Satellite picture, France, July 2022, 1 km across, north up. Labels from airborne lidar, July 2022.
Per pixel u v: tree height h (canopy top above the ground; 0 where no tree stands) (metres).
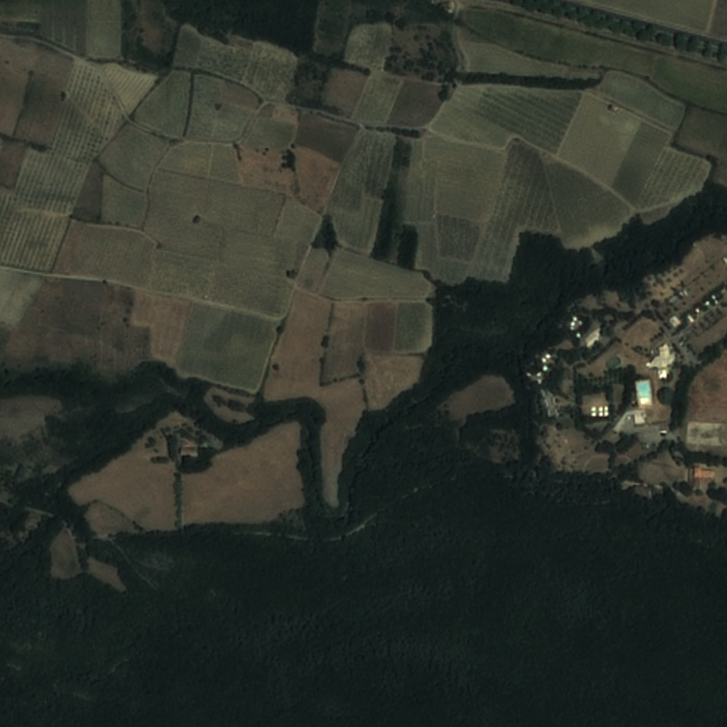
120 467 0
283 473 0
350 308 0
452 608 7
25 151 0
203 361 0
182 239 0
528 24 0
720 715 7
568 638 6
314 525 11
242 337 0
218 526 6
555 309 12
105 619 7
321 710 6
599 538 7
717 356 13
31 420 0
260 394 8
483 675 8
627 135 0
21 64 0
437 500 9
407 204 0
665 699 7
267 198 0
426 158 0
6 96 0
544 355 8
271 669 8
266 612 8
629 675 7
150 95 0
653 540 8
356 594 9
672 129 0
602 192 0
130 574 8
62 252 0
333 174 0
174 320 0
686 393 11
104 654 7
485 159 0
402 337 0
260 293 0
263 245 0
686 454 14
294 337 0
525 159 0
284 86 0
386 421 7
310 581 10
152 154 0
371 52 0
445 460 8
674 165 0
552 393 8
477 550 7
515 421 9
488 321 9
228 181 0
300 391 0
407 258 13
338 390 0
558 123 0
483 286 13
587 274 14
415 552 6
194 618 6
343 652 8
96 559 8
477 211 0
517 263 9
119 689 7
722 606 8
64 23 0
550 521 10
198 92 0
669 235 18
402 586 9
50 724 7
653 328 0
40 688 7
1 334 0
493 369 11
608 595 7
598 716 7
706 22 0
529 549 9
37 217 0
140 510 0
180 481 8
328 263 0
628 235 6
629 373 10
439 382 11
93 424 8
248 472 0
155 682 8
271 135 0
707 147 0
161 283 0
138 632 14
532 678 7
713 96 0
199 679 9
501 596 8
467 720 7
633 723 8
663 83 0
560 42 0
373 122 0
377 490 9
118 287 0
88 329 0
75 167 0
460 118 0
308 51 10
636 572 10
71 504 12
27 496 9
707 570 9
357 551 7
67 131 0
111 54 0
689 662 8
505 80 13
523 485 17
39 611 8
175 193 0
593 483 11
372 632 7
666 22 0
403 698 8
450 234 0
